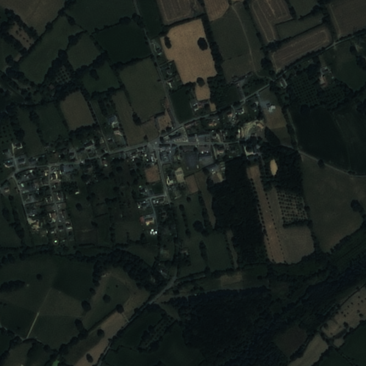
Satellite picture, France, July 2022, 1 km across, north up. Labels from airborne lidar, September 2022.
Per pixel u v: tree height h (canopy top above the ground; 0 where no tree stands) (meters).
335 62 0
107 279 0
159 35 6
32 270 0
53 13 0
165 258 0
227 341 22
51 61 0
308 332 7
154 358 0
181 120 0
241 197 18
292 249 0
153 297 7
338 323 0
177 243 17
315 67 16
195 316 22
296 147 9
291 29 0
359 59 14
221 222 21
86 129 16
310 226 17
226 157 9
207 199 0
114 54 0
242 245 15
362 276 20
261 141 16
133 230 0
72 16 0
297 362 0
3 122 22
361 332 0
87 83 0
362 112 19
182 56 0
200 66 0
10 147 0
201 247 16
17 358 0
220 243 0
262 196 0
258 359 21
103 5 0
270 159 9
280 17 0
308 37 0
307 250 0
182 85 8
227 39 0
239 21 0
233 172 14
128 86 0
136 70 0
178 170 0
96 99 19
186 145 0
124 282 0
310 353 0
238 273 0
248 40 0
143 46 0
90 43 0
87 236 0
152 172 0
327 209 0
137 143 0
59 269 0
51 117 0
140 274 11
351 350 0
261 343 20
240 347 18
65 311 0
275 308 0
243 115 0
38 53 0
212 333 24
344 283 22
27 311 0
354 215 0
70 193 9
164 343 0
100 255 12
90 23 0
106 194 0
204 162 0
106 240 0
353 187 0
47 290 0
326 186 0
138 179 8
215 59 20
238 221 18
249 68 0
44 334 0
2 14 0
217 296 25
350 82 0
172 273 0
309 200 0
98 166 10
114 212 0
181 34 0
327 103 8
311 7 0
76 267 0
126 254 22
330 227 0
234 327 22
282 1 0
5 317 0
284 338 0
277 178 16
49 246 6
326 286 17
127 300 0
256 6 0
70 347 9
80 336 12
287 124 7
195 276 9
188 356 0
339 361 0
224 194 18
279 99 9
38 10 0
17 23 15
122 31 0
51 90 10
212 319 23
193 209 0
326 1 21
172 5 0
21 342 12
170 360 0
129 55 0
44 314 0
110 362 0
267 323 11
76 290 0
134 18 15
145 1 0
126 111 0
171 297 0
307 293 14
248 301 21
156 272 14
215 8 0
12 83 16
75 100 0
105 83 0
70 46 7
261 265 9
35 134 0
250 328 23
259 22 0
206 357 17
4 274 0
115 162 19
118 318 0
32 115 17
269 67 21
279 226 0
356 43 0
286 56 0
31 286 0
